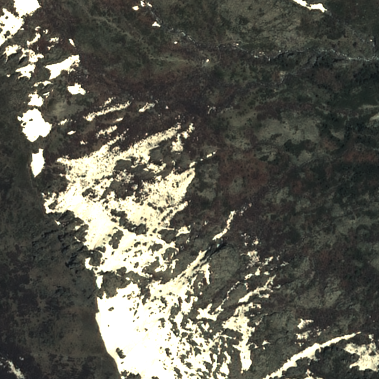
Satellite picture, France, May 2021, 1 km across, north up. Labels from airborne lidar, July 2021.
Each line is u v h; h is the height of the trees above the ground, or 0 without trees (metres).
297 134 0
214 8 0
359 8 0
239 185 0
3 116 0
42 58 0
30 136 0
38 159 0
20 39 0
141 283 0
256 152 0
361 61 7
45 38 0
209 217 7
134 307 0
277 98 0
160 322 0
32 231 0
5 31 0
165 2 0
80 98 0
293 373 0
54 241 0
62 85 0
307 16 0
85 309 0
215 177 0
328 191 0
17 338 0
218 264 0
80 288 0
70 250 0
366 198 0
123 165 0
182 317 0
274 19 0
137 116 0
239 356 0
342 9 0
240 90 6
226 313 0
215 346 0
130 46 0
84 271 0
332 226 0
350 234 8
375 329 6
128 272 0
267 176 7
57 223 0
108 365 0
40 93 0
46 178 0
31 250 0
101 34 0
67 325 0
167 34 0
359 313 6
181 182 0
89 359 0
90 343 0
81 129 0
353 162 0
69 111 0
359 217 0
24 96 0
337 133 0
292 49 8
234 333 0
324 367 0
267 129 0
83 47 0
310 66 7
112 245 0
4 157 0
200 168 0
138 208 6
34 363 0
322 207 0
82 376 0
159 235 0
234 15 0
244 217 7
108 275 0
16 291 0
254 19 0
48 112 0
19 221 0
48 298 0
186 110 6
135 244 0
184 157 0
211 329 0
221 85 7
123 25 0
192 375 0
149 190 8
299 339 10
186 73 10
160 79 6
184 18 0
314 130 0
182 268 0
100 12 0
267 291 0
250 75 0
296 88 0
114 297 0
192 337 0
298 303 0
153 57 0
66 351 0
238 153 0
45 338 0
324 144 7
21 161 0
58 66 0
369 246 0
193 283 0
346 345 8
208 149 0
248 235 10
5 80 0
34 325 0
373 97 0
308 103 8
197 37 0
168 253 0
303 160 0
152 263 0
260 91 0
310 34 0
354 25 0
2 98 0
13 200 0
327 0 0
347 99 0
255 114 0
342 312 6
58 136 0
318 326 7
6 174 0
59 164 0
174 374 0
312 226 0
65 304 0
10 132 0
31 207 0
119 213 0
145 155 0
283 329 7
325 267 9
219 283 0
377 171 0
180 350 0
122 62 0
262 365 0
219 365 0
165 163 0
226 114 0
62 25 0
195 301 0
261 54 12
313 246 0
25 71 0
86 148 0
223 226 6
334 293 0
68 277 0
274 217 0
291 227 0
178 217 0
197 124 0
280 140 0
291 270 0
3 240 0
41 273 0
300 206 0
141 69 0
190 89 9
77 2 0
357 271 8
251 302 0
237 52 10
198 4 0
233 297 0
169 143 0
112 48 0
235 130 0
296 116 0
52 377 0
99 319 0
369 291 7
